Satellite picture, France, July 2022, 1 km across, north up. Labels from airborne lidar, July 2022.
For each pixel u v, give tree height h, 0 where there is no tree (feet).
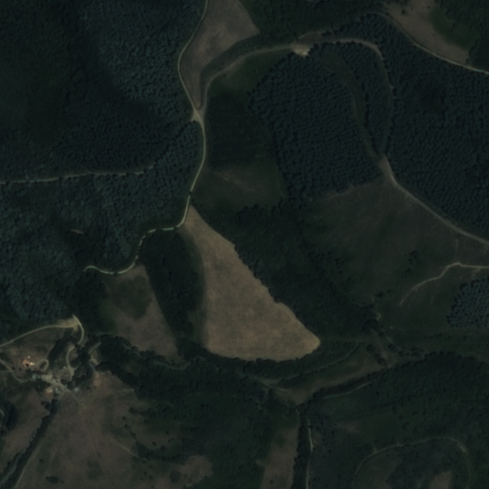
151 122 72
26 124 30
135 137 81
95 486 0
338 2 54
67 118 38
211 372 53
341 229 0
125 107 93
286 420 0
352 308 37
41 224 55
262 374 37
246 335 0
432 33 0
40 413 0
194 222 0
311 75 106
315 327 55
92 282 53
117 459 0
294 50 0
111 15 76
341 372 0
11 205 73
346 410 0
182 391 47
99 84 96
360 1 34
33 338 0
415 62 88
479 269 0
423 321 0
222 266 0
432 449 20
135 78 85
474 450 18
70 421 0
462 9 41
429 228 0
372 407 22
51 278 43
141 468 0
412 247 0
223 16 0
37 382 28
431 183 97
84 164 78
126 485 0
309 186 94
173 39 69
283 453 0
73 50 91
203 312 0
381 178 91
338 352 19
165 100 78
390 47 98
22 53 28
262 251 27
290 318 0
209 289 0
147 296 0
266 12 38
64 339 21
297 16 65
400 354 43
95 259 56
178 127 68
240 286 0
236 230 28
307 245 82
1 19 36
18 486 0
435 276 0
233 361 62
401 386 30
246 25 0
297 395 0
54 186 60
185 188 78
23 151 63
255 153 36
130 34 77
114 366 57
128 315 0
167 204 88
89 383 0
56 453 0
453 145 94
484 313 81
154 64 65
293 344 0
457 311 63
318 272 34
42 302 78
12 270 86
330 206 0
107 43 77
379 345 0
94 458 0
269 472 0
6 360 33
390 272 0
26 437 0
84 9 94
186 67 0
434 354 64
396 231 0
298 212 27
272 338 0
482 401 33
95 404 0
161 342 0
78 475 0
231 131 33
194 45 0
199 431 43
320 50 104
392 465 0
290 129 68
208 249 0
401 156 102
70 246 52
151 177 78
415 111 60
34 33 63
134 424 0
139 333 0
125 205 69
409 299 0
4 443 0
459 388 40
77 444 0
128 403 0
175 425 0
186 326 73
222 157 41
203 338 0
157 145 76
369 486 0
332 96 90
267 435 51
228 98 63
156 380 31
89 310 36
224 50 0
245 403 40
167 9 72
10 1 27
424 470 19
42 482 0
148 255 58
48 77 39
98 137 71
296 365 48
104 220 73
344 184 99
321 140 108
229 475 23
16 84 24
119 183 87
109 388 0
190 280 54
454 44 0
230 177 0
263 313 0
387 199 0
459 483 21
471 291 73
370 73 110
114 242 42
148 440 0
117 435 0
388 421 0
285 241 30
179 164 21
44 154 63
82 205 75
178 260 53
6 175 42
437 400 21
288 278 28
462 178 121
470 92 76
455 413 19
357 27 68
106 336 54
